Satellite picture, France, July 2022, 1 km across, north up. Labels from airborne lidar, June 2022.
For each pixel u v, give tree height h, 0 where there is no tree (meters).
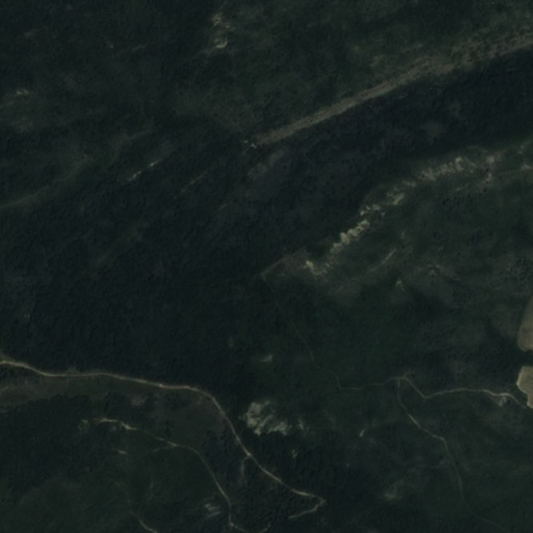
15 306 9
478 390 0
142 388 0
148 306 7
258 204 8
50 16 9
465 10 9
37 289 8
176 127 12
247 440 11
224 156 7
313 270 0
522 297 0
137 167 9
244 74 6
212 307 8
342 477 10
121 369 12
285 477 8
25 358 12
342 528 9
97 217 11
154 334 6
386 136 11
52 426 9
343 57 7
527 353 8
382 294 5
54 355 9
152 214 8
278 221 8
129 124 8
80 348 6
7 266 7
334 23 6
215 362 7
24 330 17
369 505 6
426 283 0
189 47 8
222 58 8
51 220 12
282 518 11
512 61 12
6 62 9
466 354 7
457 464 7
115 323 14
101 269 6
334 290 0
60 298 12
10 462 11
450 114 9
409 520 9
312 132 6
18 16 9
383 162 9
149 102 6
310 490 10
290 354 8
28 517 0
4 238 7
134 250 10
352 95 11
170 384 12
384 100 7
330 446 7
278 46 6
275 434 11
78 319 9
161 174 9
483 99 12
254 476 8
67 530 0
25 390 0
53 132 9
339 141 9
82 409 14
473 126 12
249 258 8
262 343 9
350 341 7
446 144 7
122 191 8
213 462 12
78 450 8
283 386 5
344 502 15
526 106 12
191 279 9
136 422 6
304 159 8
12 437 14
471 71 8
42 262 7
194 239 8
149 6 7
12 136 10
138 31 9
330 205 7
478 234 6
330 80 6
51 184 9
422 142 7
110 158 6
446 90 16
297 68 6
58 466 11
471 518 7
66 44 7
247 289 7
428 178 0
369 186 10
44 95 6
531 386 0
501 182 0
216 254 9
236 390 10
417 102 8
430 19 13
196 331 7
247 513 11
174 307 7
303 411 9
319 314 8
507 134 11
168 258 9
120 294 10
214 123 6
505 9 10
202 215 11
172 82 8
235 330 7
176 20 7
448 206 14
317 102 7
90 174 13
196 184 9
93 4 12
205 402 0
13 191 10
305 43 6
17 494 10
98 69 8
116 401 11
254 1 7
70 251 9
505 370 6
